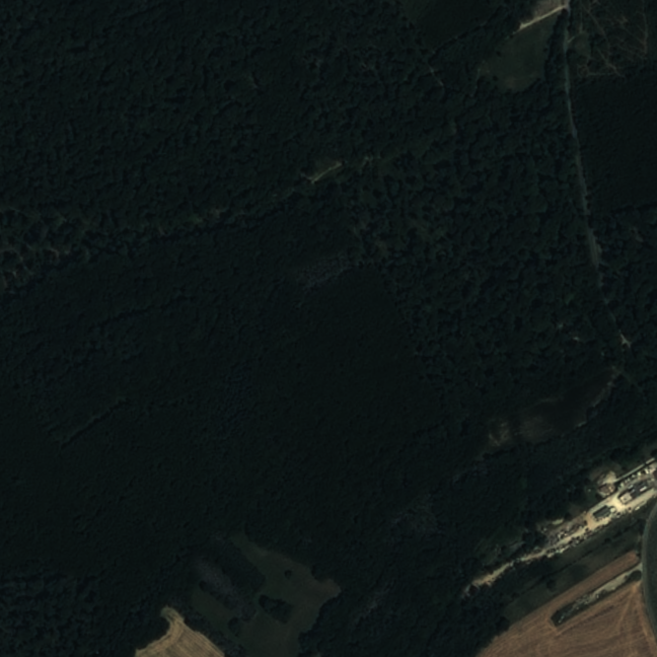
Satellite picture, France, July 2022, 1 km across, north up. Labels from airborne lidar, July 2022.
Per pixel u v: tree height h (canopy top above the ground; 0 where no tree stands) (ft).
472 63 72
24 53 80
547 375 80
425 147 89
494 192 112
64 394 78
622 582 0
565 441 23
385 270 66
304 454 60
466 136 82
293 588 0
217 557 73
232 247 73
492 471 63
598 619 0
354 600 68
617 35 22
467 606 73
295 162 78
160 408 54
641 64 23
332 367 49
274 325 84
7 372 50
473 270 37
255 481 52
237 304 75
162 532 58
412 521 85
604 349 23
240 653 82
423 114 53
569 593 0
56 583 91
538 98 50
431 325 86
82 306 78
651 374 52
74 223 75
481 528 64
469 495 82
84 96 76
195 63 85
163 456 52
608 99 35
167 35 90
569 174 74
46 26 95
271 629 0
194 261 85
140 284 77
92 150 63
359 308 46
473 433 84
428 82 81
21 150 72
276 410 58
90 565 37
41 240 102
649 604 0
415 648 71
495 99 81
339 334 55
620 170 38
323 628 66
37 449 43
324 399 48
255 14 94
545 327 84
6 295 21
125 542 56
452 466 57
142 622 99
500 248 79
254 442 61
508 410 65
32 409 49
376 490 81
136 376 83
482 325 90
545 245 101
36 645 89
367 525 85
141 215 52
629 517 0
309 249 77
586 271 59
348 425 44
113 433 51
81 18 84
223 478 65
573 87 18
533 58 0
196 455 59
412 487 71
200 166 63
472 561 48
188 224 90
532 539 60
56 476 35
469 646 63
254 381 55
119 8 79
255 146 79
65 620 72
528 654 0
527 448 33
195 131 86
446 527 90
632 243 102
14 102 80
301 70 71
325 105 74
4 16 97
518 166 99
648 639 0
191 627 64
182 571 63
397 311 44
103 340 65
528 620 0
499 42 53
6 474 31
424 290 77
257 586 69
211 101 79
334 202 70
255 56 89
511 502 71
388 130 73
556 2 0
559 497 49
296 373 39
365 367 53
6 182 78
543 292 79
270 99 82
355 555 70
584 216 58
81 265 93
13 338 66
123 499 47
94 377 77
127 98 82
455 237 83
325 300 59
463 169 89
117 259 95
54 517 35
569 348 81
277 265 96
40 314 90
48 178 71
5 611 82
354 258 75
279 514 69
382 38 84
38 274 81
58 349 73
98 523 60
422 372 36
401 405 62
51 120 52
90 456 45
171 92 75
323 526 72
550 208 66
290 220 87
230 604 60
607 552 0
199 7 76
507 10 40
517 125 83
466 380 82
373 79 84
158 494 47
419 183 92
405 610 75
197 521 59
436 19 22
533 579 26
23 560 36
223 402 59
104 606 53
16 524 41
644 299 83
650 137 42
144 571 60
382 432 59
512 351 83
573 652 0
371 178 22
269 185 71
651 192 41
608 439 87
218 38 87
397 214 80
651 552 0
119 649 70
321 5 73
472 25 18
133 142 65
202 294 75
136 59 93
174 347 75
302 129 75
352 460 39
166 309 87
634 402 72
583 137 28
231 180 86
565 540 0
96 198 80
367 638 60
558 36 52
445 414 60
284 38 71
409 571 71
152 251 79
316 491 73
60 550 32
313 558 61
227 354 76
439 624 54
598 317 83
